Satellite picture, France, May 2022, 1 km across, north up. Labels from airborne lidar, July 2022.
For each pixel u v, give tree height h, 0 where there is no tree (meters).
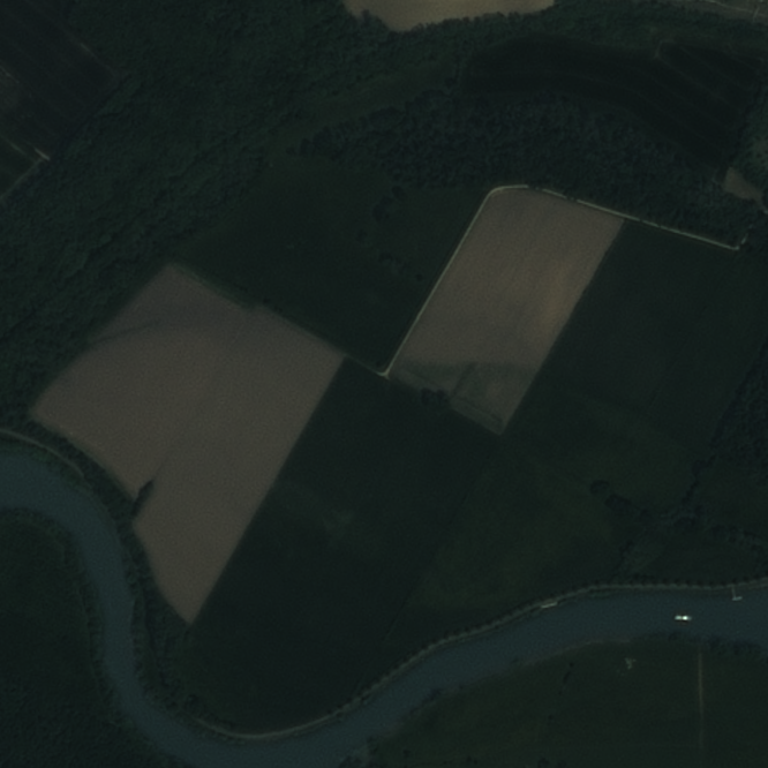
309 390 0
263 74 23
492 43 20
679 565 0
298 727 0
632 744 0
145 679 9
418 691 0
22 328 16
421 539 0
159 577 0
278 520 0
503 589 0
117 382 0
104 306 14
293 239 0
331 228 0
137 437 0
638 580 11
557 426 0
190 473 0
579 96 0
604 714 0
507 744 0
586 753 0
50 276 19
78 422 0
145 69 19
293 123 17
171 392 0
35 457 11
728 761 0
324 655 0
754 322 0
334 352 0
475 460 0
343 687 0
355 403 0
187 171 21
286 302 0
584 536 0
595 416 0
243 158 22
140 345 0
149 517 0
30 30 0
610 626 0
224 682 0
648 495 0
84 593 12
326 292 0
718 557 0
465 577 0
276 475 0
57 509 0
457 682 0
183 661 0
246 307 0
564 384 0
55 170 18
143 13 21
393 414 0
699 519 17
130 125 16
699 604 0
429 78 0
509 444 0
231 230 0
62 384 0
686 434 0
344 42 26
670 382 0
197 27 23
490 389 0
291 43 19
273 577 0
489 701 0
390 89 0
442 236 0
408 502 0
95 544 0
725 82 0
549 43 0
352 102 0
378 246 0
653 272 0
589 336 0
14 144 0
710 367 0
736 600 0
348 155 25
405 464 0
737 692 0
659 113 0
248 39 28
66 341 19
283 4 26
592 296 0
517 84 0
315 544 0
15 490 0
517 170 29
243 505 0
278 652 0
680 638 11
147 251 20
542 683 0
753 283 0
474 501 0
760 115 13
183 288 0
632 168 28
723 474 0
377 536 0
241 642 0
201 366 0
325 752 0
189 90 19
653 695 0
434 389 0
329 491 0
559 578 0
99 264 22
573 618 0
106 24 19
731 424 21
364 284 0
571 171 25
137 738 14
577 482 0
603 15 15
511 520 0
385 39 19
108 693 11
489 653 0
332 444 0
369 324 0
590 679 0
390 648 0
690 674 0
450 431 0
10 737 17
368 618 0
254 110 21
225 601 0
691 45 0
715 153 0
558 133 20
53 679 8
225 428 0
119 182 24
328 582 0
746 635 0
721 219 8
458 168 18
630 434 0
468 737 0
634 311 0
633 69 0
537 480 0
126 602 0
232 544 0
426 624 0
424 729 0
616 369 0
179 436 0
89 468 20
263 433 0
